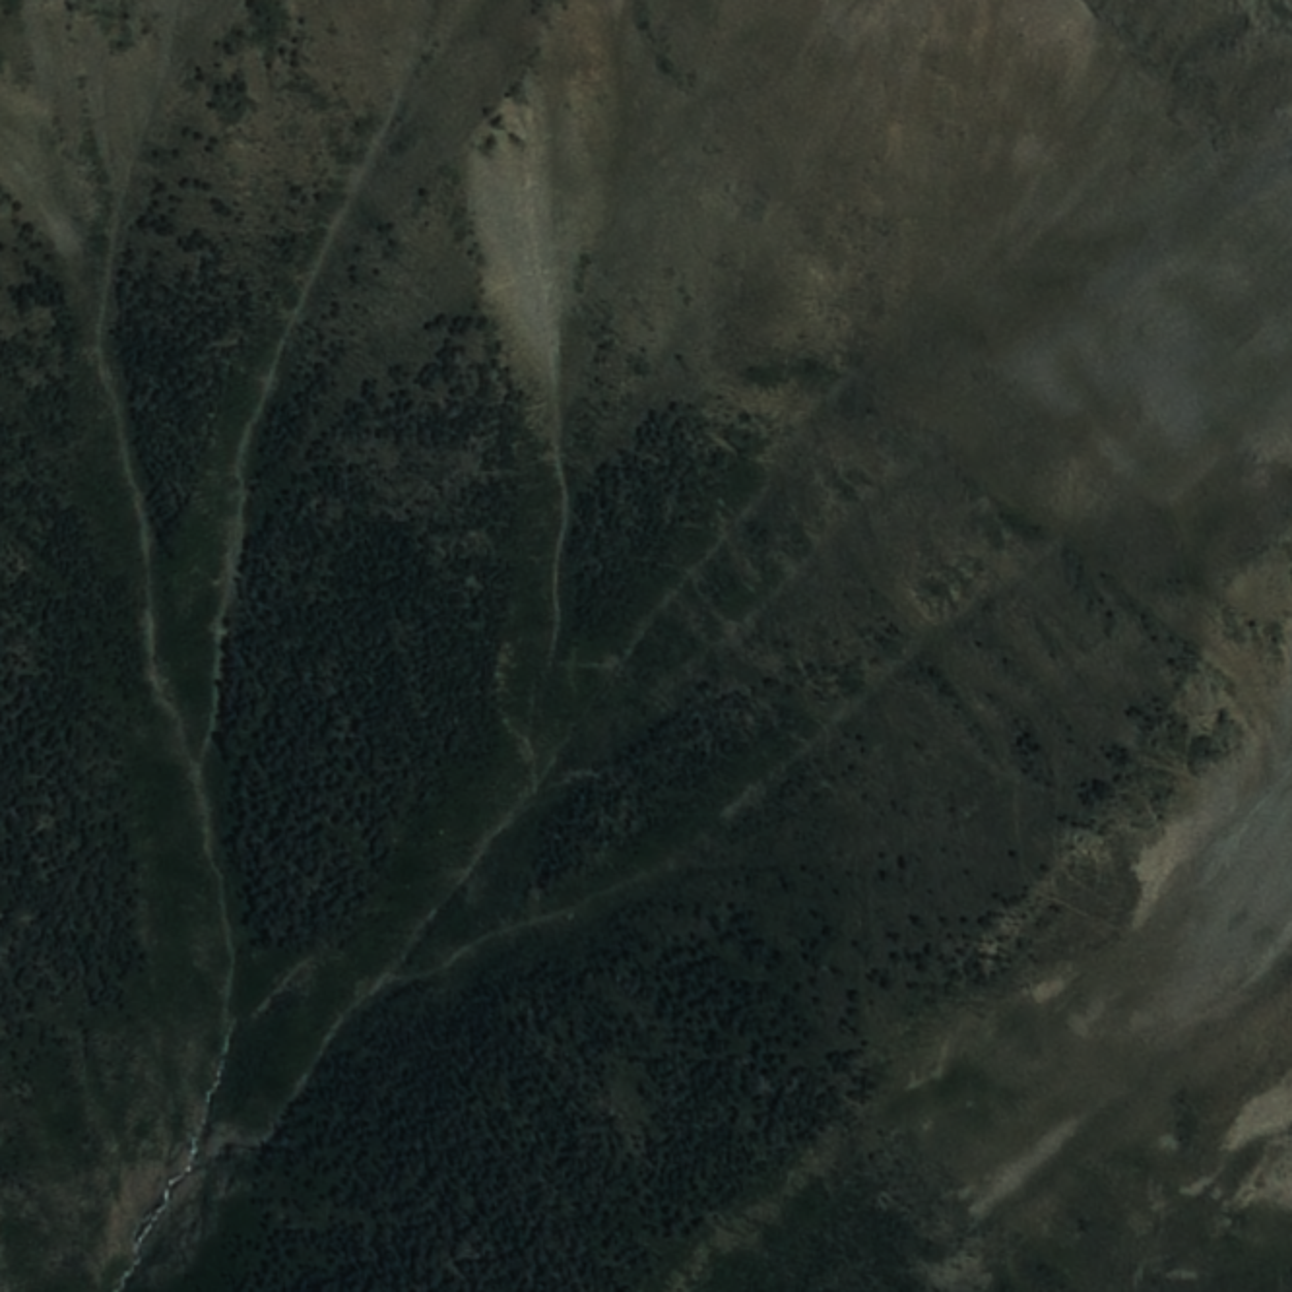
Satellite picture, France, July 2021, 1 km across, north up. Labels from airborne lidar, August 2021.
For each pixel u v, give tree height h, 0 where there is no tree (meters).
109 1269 0
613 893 0
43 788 14
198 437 9
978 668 0
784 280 0
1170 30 0
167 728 0
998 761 0
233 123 0
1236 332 0
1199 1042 0
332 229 0
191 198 0
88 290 0
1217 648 0
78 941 19
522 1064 15
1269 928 0
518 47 0
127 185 0
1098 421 0
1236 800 0
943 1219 0
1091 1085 0
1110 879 0
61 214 0
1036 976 0
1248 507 0
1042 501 0
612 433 0
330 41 0
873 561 0
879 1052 0
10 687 14
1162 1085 0
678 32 0
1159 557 0
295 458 10
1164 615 0
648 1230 12
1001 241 0
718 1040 12
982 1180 0
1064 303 0
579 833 7
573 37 0
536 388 0
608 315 0
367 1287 13
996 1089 0
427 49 0
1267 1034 0
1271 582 0
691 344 0
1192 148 0
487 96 0
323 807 12
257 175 0
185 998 0
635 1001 8
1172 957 0
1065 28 0
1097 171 0
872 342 0
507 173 0
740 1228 0
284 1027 0
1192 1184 0
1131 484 0
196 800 0
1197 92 0
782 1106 15
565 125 0
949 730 0
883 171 0
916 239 0
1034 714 0
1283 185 0
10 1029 16
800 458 0
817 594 0
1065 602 0
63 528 11
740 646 0
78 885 11
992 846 0
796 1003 9
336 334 7
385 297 0
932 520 0
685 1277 0
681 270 0
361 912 11
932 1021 0
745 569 0
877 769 0
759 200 0
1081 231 0
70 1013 0
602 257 0
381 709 13
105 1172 0
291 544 10
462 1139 17
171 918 0
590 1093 13
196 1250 0
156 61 0
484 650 9
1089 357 0
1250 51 0
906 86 0
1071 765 0
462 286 0
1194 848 0
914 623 0
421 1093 6
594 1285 7
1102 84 0
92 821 12
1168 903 0
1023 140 0
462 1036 11
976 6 0
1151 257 0
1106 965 0
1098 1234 0
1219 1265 0
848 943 0
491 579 6
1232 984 0
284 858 14
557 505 0
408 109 0
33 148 0
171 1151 0
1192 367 0
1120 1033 0
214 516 0
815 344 0
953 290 0
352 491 11
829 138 0
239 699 9
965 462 0
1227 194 0
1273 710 0
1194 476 0
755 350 0
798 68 0
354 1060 11
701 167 0
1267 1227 0
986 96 0
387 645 11
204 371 8
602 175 0
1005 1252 0
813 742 0
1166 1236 0
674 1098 10
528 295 0
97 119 0
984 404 0
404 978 0
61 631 18
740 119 0
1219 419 0
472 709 11
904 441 0
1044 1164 0
